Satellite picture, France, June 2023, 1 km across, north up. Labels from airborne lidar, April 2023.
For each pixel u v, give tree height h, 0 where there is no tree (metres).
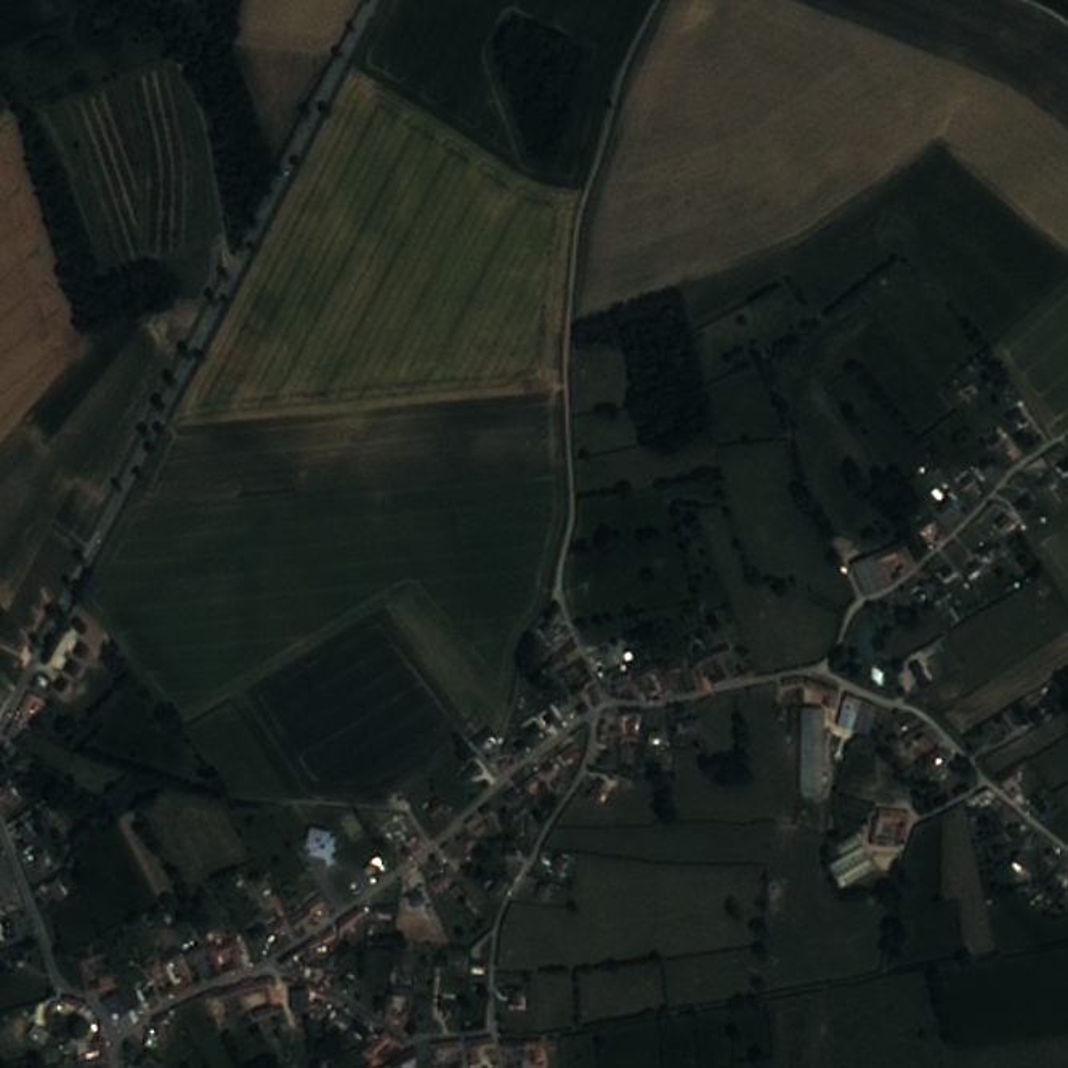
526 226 0
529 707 0
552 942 0
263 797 0
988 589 0
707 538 0
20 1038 0
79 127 0
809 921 0
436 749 0
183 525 0
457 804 0
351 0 0
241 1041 0
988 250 0
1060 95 0
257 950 0
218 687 0
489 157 0
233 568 0
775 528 0
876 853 0
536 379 0
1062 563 0
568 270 0
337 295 0
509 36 14
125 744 0
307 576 0
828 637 0
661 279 0
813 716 0
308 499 0
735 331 0
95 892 0
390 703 0
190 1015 0
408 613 0
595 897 0
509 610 0
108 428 0
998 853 7
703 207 0
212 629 0
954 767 12
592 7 0
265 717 0
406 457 0
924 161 0
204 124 0
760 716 0
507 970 0
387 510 0
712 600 0
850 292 7
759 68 0
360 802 0
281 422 0
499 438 0
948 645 0
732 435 0
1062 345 0
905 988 0
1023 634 0
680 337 17
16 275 0
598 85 0
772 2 0
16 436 0
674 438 23
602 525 0
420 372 0
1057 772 0
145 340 0
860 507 0
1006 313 0
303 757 0
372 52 0
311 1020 10
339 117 0
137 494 0
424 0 0
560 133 16
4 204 0
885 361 0
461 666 0
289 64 0
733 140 0
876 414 0
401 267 0
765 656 0
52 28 0
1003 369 14
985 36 0
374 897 0
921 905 0
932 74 0
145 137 0
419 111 0
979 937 0
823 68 0
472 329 0
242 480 0
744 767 24
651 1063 0
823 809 0
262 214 0
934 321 0
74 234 18
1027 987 0
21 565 0
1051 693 9
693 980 0
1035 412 0
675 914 0
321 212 0
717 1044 0
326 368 0
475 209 0
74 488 0
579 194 0
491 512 0
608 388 0
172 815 0
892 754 10
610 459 0
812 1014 0
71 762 0
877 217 0
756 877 0
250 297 0
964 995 0
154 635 0
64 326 0
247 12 0
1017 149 0
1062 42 0
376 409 0
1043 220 0
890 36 0
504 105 0
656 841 0
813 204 0
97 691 0
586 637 0
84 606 0
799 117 0
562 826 0
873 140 0
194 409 0
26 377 0
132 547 0
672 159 0
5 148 0
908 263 5
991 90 0
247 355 0
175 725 21
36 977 0
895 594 0
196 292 0
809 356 0
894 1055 0
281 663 0
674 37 0
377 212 0
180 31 8
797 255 0
